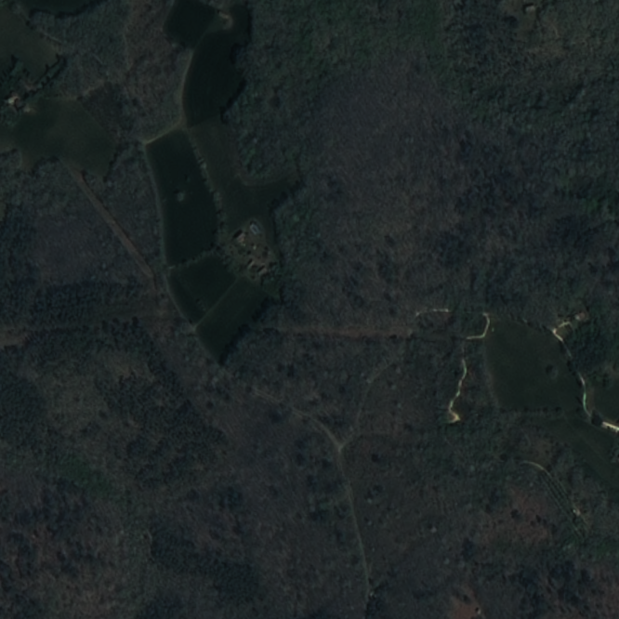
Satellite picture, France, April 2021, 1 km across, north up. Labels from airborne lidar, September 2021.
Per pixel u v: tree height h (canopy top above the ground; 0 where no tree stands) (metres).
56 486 13
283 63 23
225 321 0
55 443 12
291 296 25
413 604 16
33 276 25
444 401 9
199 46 0
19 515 14
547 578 11
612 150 20
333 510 22
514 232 18
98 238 19
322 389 17
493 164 32
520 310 19
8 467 15
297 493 16
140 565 14
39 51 0
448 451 19
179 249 0
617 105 14
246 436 14
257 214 0
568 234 13
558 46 15
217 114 0
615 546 25
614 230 19
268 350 24
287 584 9
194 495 15
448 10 17
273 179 18
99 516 16
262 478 16
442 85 23
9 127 8
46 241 15
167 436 21
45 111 0
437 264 19
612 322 19
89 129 0
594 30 16
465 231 17
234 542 11
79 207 18
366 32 19
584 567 10
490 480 13
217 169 0
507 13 7
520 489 11
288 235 18
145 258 17
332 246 20
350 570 11
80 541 16
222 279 0
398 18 9
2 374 25
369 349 24
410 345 16
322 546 15
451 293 22
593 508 18
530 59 10
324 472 13
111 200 20
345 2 14
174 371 16
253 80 25
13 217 21
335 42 25
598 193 7
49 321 24
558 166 25
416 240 17
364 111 22
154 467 17
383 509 17
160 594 17
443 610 16
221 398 24
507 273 9
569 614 7
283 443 14
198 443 21
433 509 6
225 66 0
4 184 25
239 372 18
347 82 23
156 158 0
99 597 11
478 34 18
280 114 35
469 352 10
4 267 19
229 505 14
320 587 20
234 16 0
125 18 21
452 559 12
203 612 18
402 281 11
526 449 21
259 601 17
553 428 0
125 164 13
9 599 19
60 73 10
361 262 17
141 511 18
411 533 7
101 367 19
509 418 21
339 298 18
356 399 13
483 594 16
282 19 23
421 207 20
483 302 23
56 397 15
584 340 10
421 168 18
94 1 0
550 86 21
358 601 12
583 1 25
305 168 28
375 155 19
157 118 22
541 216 24
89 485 19
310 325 17
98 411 21
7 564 7
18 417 19
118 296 20
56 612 17
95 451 18
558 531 10
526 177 11
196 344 15
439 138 19
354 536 14
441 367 11
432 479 12
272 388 17
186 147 0
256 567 17
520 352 0
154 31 8
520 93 25
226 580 24
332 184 22
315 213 15
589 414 12
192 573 20
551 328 21
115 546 23
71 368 19
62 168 20
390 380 8
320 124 24
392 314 14
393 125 21
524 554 9
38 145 0
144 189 22
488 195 34
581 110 17
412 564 15
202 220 0
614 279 25
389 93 22
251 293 0
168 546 23
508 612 13
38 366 14
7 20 0
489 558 15
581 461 11
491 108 21
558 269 15
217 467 10
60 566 9
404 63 20
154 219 16
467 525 14
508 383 0
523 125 24
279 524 16
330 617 18
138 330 22
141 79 21
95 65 23
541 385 0
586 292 23
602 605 5
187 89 0
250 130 28
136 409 21
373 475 8
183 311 0
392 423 7
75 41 18
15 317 12
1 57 0
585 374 19
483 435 20
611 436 6
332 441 10
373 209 19
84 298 22
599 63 22
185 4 0
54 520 26
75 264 19
